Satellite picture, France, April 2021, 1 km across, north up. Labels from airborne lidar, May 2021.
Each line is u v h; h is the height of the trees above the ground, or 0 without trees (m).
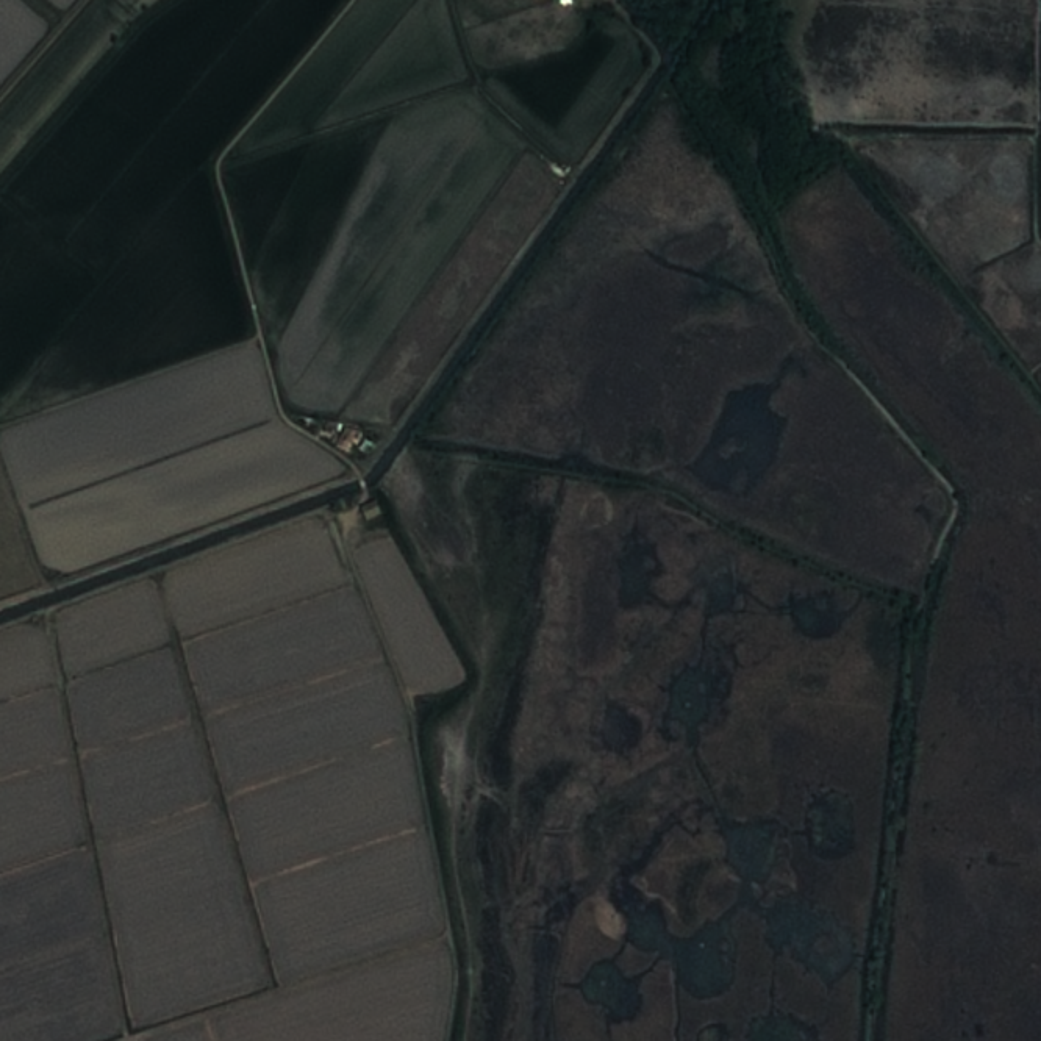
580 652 0
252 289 0
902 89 0
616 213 0
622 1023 0
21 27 0
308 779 0
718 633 0
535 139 0
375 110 0
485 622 0
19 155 0
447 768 0
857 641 0
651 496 0
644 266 0
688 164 0
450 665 0
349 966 0
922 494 0
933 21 0
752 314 0
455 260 0
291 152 0
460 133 0
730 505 0
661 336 0
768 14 14
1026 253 0
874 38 0
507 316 0
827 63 0
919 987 0
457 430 0
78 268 0
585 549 0
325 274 0
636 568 0
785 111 18
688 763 0
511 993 0
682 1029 0
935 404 0
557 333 0
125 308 0
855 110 0
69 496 0
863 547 0
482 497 0
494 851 0
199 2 0
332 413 0
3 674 0
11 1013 0
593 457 0
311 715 0
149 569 0
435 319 0
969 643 0
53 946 0
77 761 0
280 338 0
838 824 0
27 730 0
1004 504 0
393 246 0
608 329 0
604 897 0
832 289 0
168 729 0
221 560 0
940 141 0
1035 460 0
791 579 0
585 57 0
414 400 0
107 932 0
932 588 8
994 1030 0
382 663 0
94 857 0
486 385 0
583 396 0
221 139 0
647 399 0
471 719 0
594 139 0
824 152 11
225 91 0
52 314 0
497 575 0
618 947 0
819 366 0
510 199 0
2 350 0
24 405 0
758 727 0
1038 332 0
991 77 0
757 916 0
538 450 0
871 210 0
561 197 0
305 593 0
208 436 0
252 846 0
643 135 0
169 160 0
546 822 0
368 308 0
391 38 0
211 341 0
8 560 0
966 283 0
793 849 0
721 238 0
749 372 0
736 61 11
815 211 0
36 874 0
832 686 0
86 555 0
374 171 0
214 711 0
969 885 0
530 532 0
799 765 0
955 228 0
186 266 0
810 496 0
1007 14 0
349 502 0
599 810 0
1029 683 0
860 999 0
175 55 0
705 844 0
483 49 0
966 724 0
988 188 0
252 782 0
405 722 0
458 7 0
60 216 0
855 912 0
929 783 0
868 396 0
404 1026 0
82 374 0
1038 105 0
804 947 0
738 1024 0
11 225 0
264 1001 0
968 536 0
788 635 0
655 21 15
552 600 0
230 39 0
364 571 0
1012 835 0
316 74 0
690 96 10
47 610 0
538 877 0
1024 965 0
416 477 0
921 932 0
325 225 0
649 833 0
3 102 0
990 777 0
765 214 7
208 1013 0
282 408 0
